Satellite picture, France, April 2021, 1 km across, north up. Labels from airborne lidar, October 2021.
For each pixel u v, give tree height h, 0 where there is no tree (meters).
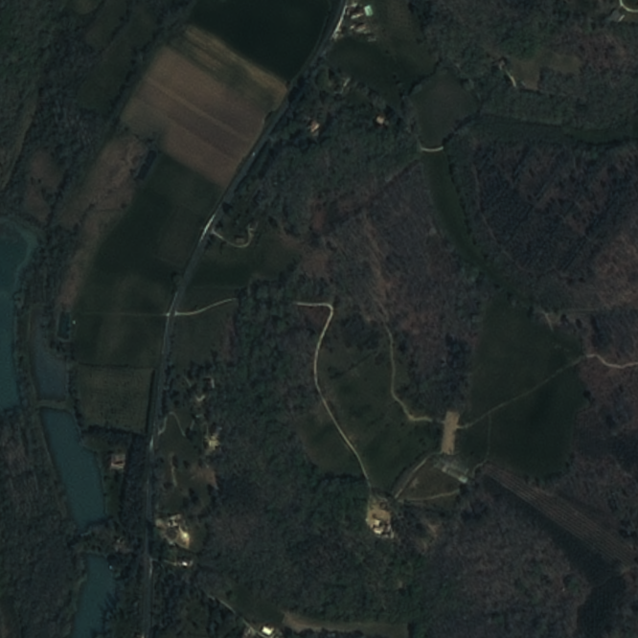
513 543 20
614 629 12
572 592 19
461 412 18
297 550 19
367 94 13
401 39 0
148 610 0
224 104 0
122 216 0
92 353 0
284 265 0
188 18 19
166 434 0
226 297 0
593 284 13
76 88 6
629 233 12
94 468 0
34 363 0
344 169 21
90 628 0
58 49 7
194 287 0
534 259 14
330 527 28
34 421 18
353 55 0
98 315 0
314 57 0
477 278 19
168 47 0
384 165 17
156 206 0
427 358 8
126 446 17
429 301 11
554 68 0
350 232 26
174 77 0
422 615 20
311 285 22
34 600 21
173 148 0
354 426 0
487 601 19
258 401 10
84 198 0
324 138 16
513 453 0
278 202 12
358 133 25
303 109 15
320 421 0
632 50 17
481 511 18
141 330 0
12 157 13
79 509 0
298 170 21
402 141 20
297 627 0
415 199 17
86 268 0
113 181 0
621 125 21
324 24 0
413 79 0
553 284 18
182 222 0
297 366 22
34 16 23
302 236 12
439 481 0
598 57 8
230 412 19
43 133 14
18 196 11
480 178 10
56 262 13
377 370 0
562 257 11
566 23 15
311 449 0
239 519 19
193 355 0
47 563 18
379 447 0
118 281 0
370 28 0
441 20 21
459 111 0
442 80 0
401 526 27
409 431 0
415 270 14
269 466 23
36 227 13
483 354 0
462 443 9
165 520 14
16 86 24
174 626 15
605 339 24
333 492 25
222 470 24
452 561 13
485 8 18
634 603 10
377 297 21
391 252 11
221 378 17
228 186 0
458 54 19
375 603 24
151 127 0
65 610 13
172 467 0
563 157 11
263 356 25
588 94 22
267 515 18
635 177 12
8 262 0
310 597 20
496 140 14
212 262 0
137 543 15
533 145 12
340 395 0
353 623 10
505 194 16
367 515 23
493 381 0
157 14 14
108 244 0
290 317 17
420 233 18
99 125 25
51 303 14
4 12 14
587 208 7
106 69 0
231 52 0
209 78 0
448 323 18
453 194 0
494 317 0
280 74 0
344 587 25
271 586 21
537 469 0
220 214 0
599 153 14
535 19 21
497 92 21
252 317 20
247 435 22
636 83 26
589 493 13
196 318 0
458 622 16
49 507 14
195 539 0
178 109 0
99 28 0
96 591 0
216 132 0
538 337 0
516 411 0
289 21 0
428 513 15
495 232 14
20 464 29
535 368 0
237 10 0
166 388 8
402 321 13
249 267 0
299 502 23
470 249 0
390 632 0
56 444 0
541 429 0
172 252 0
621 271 17
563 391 0
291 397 20
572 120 20
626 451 6
